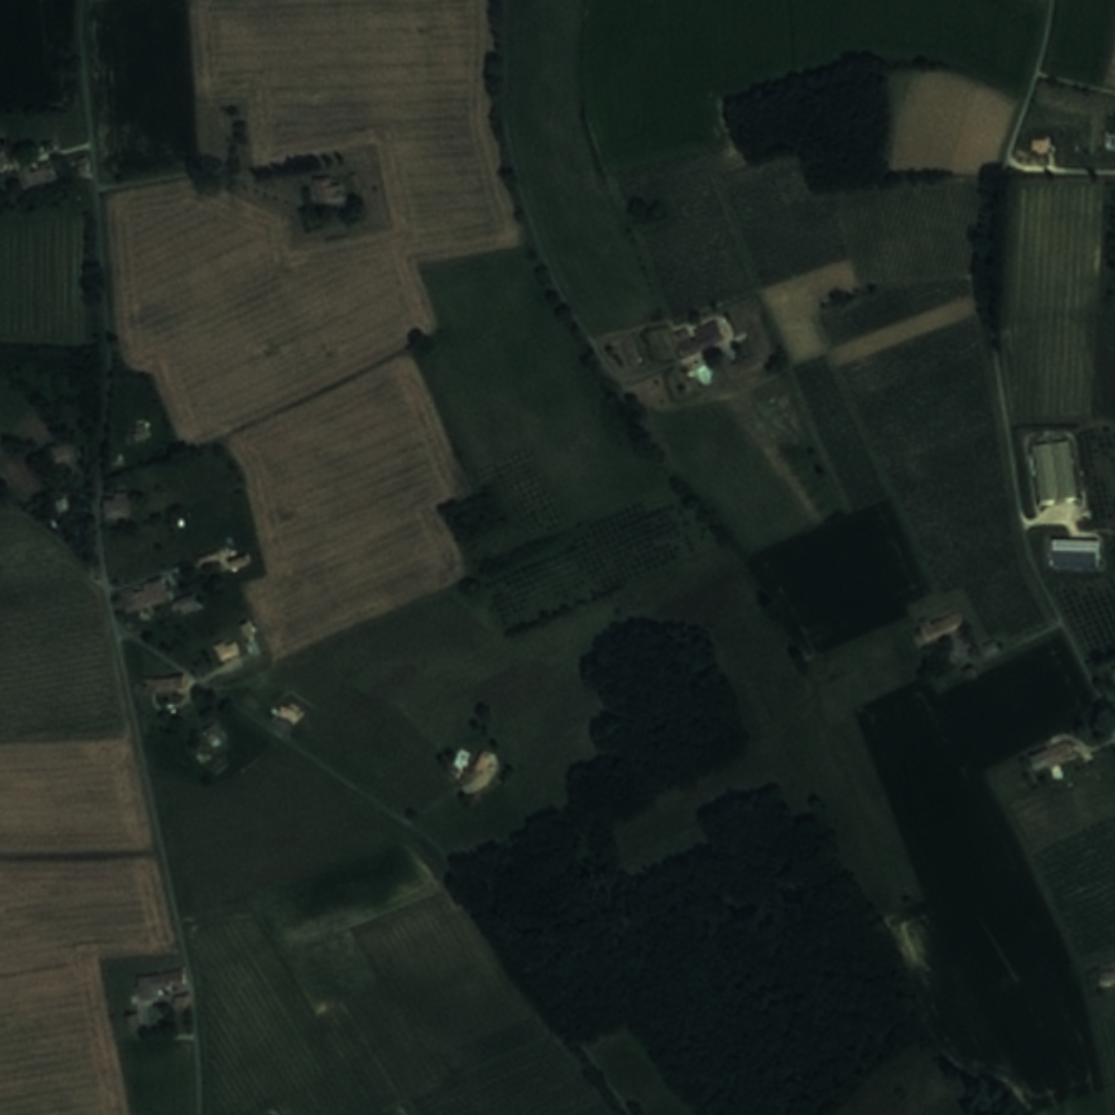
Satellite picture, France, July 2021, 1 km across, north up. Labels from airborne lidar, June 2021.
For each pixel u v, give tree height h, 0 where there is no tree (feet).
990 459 0
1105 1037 0
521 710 0
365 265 0
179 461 52
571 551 21
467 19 0
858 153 71
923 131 0
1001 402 0
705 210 0
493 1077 0
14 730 0
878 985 76
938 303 0
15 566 0
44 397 49
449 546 0
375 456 0
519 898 64
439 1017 0
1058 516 0
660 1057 72
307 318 0
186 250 0
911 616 0
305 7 0
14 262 0
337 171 0
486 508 19
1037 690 0
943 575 0
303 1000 0
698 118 0
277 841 0
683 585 0
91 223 30
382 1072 0
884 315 0
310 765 0
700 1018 81
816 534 0
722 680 64
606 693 54
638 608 0
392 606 0
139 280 0
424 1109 0
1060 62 0
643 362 0
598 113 0
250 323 0
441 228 0
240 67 0
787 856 64
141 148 0
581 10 0
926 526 0
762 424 0
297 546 0
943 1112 0
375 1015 0
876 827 0
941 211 0
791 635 0
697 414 0
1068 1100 0
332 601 0
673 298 0
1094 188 0
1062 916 0
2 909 0
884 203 0
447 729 0
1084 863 0
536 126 0
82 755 0
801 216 0
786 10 0
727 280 0
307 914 0
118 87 0
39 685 0
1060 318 0
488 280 0
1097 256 0
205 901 0
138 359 0
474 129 0
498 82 53
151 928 0
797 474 0
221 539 0
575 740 0
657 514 22
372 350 0
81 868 0
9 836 0
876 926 62
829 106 88
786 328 0
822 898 82
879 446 0
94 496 53
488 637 0
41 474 29
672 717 68
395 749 0
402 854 0
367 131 0
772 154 49
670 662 76
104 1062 0
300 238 0
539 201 0
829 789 0
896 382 0
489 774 0
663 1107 0
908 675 0
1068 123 0
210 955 0
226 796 0
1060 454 0
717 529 24
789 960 74
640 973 62
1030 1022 0
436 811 0
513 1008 0
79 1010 0
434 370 0
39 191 24
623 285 0
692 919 74
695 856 50
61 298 0
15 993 0
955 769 0
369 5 0
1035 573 0
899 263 0
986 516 0
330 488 0
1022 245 0
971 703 0
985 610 0
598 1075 49
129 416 0
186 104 0
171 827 0
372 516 0
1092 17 0
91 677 0
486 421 0
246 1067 0
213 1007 0
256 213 0
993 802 0
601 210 0
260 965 0
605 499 0
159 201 0
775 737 0
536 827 49
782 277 0
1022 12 0
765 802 56
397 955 0
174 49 0
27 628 0
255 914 0
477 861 59
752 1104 79
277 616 0
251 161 0
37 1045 0
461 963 0
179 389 0
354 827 0
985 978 0
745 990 73
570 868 57
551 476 0
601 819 64
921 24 0
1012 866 0
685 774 86
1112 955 0
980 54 0
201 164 78
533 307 0
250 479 0
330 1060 0
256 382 0
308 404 0
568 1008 52
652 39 0
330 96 0
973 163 0
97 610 0
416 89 0
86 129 0
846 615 0
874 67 48
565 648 0
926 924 0
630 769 73
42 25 0
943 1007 0
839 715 0
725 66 0
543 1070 0
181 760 0
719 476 0
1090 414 0
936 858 0
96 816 0
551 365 0
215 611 0
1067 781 0
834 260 0
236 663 0
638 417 19
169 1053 0
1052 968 0
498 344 0
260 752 0
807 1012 94
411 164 0
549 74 0
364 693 0
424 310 0
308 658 0
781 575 0
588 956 64
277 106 0
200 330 0
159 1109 0
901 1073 0
